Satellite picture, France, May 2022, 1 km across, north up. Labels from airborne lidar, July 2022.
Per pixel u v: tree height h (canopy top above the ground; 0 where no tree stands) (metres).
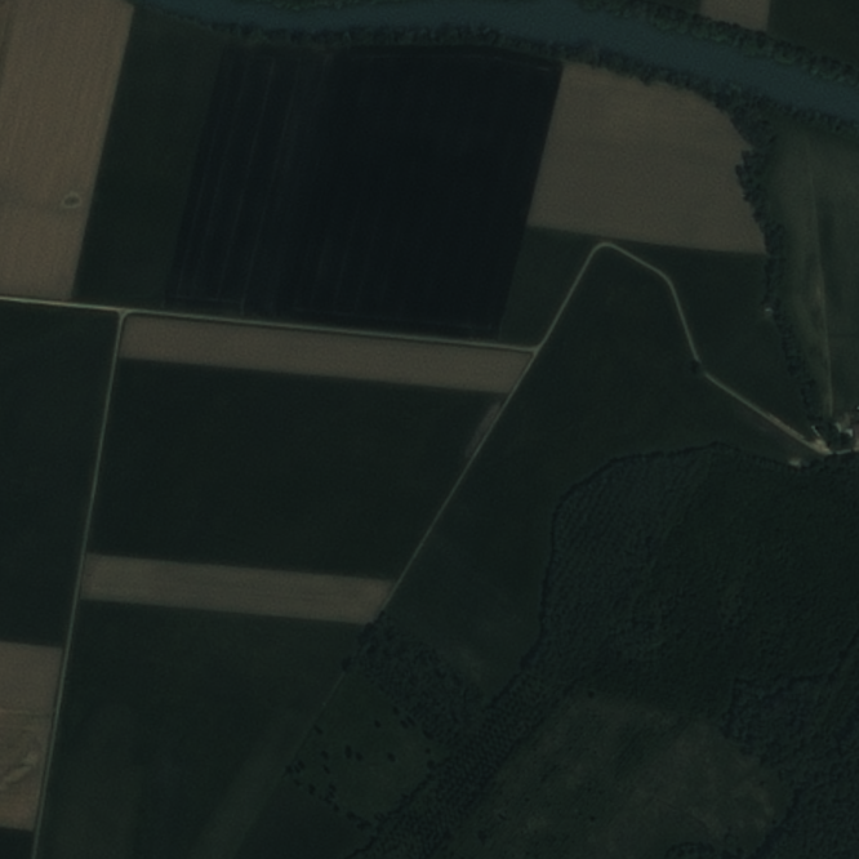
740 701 23
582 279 0
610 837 0
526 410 0
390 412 0
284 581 0
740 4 0
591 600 24
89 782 0
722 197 0
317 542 0
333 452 0
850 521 11
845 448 12
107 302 0
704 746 0
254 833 0
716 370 0
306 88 0
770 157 13
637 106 0
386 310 0
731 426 0
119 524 0
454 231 0
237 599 0
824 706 22
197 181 0
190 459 0
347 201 0
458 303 0
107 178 0
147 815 0
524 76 0
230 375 0
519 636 0
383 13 0
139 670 0
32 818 0
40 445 0
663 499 23
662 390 0
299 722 0
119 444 0
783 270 12
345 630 0
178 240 0
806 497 10
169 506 0
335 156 0
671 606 9
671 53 0
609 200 0
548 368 0
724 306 0
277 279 0
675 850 10
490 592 0
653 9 17
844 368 0
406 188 0
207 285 0
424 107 0
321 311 0
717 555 6
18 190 0
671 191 0
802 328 0
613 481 24
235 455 0
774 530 7
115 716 0
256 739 0
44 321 0
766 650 7
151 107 0
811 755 26
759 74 0
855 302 0
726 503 8
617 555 27
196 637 0
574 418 0
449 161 0
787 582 10
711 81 12
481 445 0
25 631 0
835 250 0
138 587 0
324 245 0
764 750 23
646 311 0
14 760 0
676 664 9
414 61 0
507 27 0
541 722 9
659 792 0
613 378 0
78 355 0
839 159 0
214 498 0
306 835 0
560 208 0
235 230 0
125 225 0
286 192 0
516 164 0
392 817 9
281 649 0
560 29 0
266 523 0
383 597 0
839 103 0
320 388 0
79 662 0
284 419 0
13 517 0
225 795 0
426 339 0
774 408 0
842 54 0
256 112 0
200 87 0
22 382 0
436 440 0
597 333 0
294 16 0
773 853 21
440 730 21
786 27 0
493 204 0
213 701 0
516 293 0
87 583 0
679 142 0
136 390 0
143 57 0
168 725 0
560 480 0
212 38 0
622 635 21
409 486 0
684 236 0
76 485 0
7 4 0
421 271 0
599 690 8
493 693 0
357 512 0
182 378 0
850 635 10
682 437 0
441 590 0
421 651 8
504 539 0
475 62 0
